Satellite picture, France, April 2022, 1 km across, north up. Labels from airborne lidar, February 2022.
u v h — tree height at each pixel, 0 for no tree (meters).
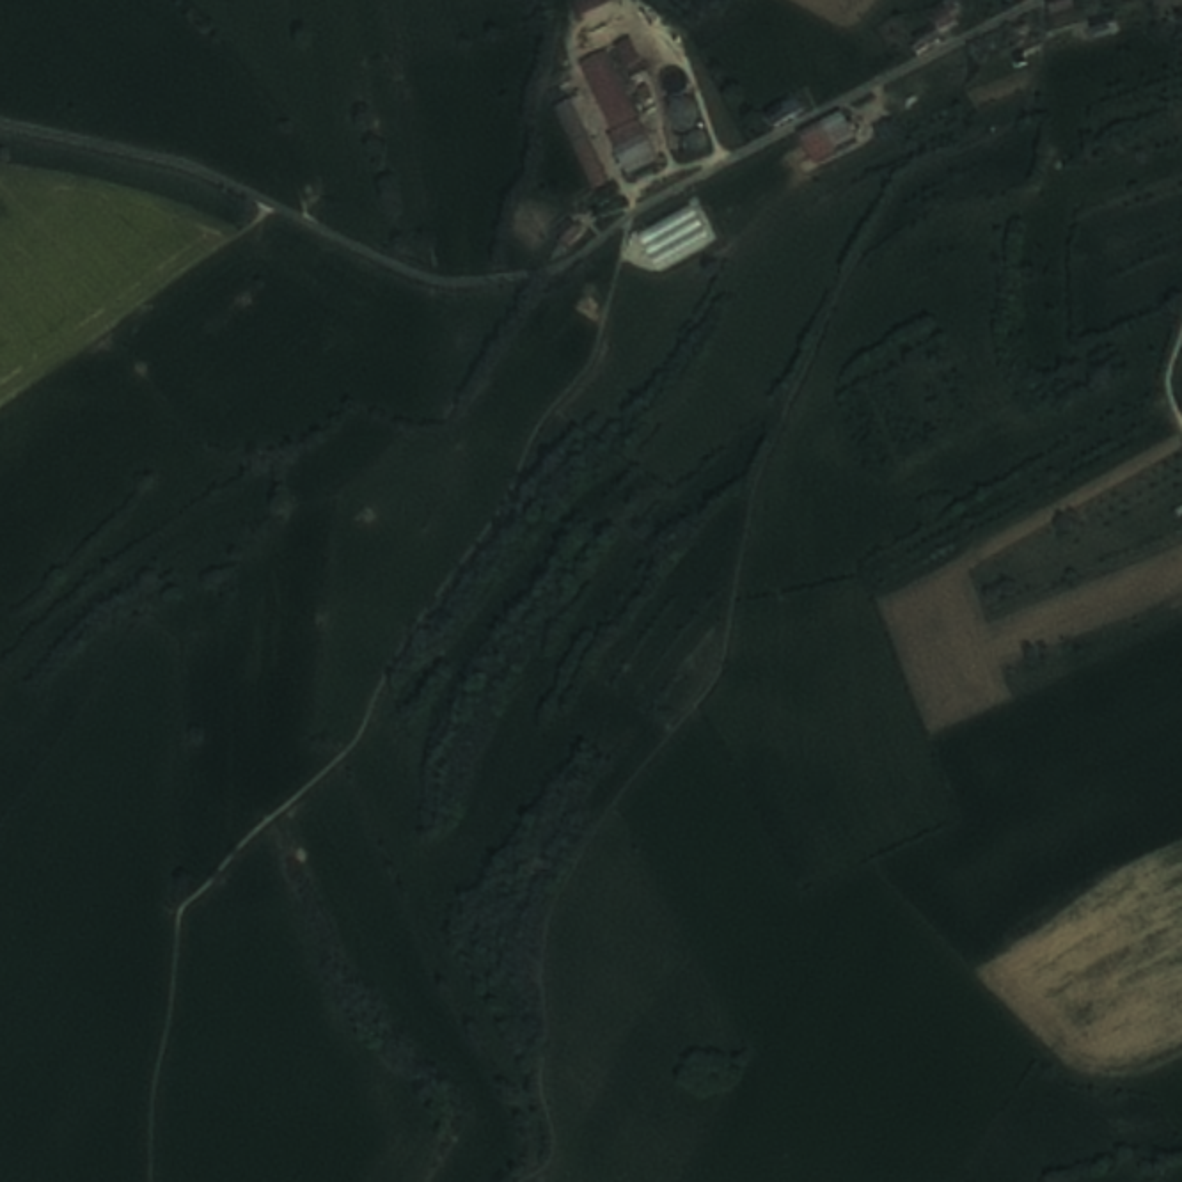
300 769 0
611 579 0
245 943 0
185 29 0
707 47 0
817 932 0
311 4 0
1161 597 0
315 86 0
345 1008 11
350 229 0
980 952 0
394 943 0
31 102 0
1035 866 0
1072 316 7
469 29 0
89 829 0
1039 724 0
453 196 0
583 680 7
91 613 6
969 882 0
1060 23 0
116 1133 0
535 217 0
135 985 0
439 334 0
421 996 0
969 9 0
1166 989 0
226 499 0
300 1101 0
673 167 0
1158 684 0
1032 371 16
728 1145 0
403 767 0
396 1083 0
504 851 8
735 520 0
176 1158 0
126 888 0
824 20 0
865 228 10
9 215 0
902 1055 0
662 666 0
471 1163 0
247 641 0
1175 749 0
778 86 0
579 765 8
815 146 0
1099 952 0
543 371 0
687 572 0
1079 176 0
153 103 0
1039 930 0
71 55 0
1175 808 0
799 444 0
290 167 0
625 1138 0
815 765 0
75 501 0
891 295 0
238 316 0
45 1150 0
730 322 0
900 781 0
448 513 0
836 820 0
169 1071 0
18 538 0
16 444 0
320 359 0
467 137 0
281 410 0
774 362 0
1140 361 0
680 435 0
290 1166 0
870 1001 0
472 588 13
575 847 18
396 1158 0
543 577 14
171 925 0
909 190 0
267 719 0
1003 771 0
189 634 0
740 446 0
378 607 0
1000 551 0
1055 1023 0
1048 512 0
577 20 0
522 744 0
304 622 0
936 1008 0
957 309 0
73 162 0
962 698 0
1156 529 0
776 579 0
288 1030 0
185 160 0
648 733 0
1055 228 0
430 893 0
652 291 0
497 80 0
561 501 13
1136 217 0
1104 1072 0
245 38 0
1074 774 0
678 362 7
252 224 0
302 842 0
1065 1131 0
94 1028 0
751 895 0
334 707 0
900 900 0
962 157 0
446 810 14
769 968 0
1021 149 0
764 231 0
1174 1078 0
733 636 0
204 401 0
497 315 0
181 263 0
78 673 0
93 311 0
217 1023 0
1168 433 0
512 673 9
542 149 15
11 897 0
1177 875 0
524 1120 14
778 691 0
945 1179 0
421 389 0
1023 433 0
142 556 0
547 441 0
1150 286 0
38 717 0
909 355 11
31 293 0
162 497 0
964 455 0
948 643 0
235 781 0
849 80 0
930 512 0
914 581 0
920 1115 0
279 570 0
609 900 0
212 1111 0
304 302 0
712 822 0
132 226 0
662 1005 0
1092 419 0
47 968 0
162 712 0
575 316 0
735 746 0
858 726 0
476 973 9
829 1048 0
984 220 0
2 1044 0
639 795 0
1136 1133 0
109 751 0
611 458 8
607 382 0
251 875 0
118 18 0
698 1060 15
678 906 0
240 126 0
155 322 0
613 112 0
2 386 0
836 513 0
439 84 0
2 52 0
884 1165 0
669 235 0
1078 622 0
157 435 0
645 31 0
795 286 0
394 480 0
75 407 0
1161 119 7
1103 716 0
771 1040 0
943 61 0
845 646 0
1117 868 0
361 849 0
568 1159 0
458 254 0
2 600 0
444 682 11
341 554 0
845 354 0
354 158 0
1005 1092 0
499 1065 0
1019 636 0
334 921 0
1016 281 19
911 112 0
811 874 0
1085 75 0
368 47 0
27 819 0
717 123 0
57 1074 0
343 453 0
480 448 0
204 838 0
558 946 0
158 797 0
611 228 0
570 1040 0
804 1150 0
